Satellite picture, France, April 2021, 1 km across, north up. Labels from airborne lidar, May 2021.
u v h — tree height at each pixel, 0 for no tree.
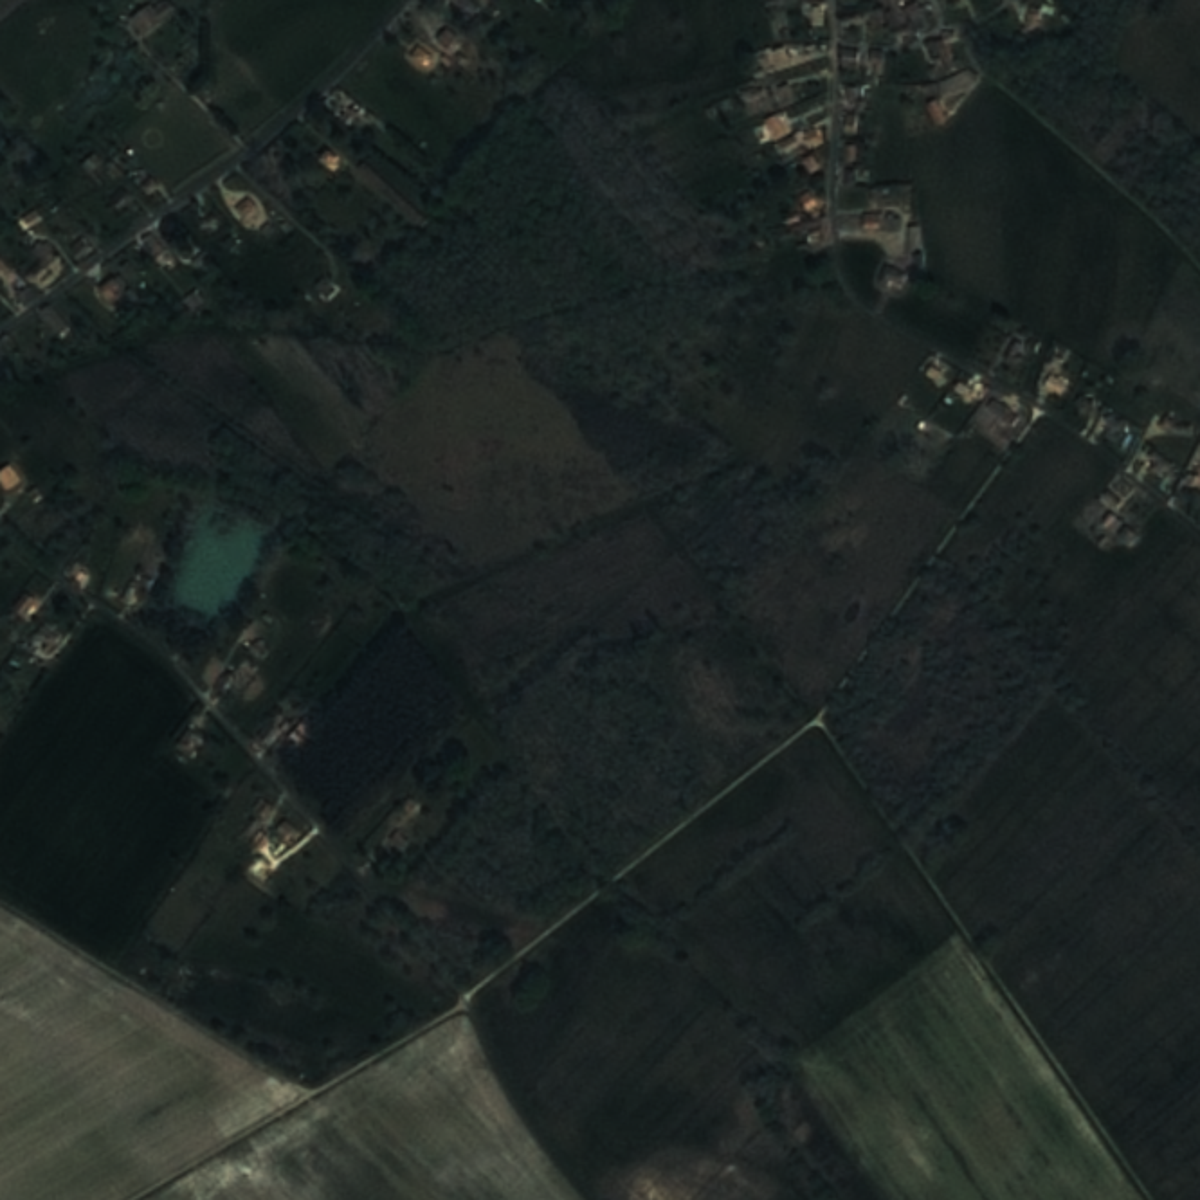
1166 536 0
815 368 0
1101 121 9
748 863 14
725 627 8
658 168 14
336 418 0
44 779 0
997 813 0
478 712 0
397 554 18
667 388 19
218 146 0
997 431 0
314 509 12
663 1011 0
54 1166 0
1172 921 0
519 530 0
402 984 0
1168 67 0
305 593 0
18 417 0
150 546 0
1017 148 0
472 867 14
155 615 11
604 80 0
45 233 0
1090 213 0
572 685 18
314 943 0
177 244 17
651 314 21
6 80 0
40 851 0
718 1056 0
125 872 0
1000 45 13
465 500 0
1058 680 7
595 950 0
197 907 0
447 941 14
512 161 20
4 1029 0
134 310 18
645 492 8
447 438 0
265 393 6
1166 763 0
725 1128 0
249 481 13
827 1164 0
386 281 17
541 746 20
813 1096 0
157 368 6
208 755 11
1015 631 10
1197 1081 0
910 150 0
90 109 0
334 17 0
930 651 7
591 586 0
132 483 16
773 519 6
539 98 7
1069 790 0
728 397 14
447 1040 0
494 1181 0
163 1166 0
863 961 0
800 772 0
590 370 10
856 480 7
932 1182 0
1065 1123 0
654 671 10
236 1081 0
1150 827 0
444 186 15
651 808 22
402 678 16
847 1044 0
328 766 18
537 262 17
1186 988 0
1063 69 11
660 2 0
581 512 0
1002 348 6
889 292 0
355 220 0
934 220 0
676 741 20
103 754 0
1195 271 0
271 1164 0
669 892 0
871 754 9
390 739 20
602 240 22
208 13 7
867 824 0
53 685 0
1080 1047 0
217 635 14
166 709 0
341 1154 0
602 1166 0
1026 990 0
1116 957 0
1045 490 0
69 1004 0
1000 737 7
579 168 20
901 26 0
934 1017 0
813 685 0
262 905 0
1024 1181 0
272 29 0
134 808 0
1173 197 9
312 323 10
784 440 0
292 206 18
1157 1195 0
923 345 0
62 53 0
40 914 0
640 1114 0
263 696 0
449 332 14
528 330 18
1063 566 0
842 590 0
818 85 7
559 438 0
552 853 22
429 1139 0
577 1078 0
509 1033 0
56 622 0
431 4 17
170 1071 0
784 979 0
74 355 7
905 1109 0
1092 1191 0
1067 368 6
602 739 20
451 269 13
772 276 0
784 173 12
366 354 17
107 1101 0
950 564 8
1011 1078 0
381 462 0
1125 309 0
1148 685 0
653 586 0
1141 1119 0
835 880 0
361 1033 0
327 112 13
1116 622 0
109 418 9
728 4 0
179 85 16
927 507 0
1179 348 0
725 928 0
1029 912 0
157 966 0
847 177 0
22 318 0
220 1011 0
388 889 0
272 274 0
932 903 0
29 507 0
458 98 9
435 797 16
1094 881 0
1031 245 0
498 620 0
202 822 0
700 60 0
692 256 6
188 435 9
